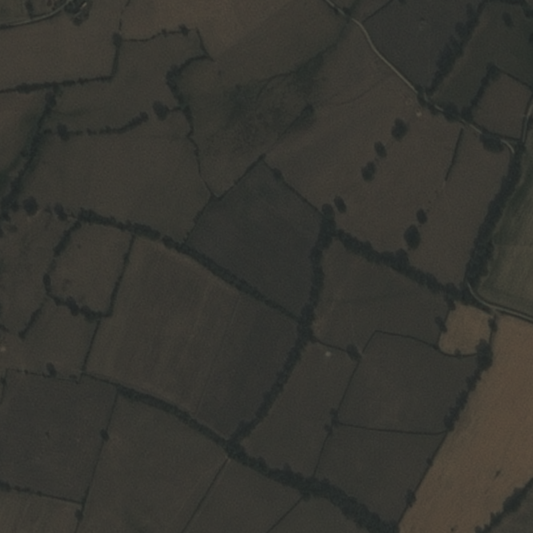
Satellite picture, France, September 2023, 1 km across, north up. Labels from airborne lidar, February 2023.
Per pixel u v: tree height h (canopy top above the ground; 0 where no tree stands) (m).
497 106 0
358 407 0
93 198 0
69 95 0
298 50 0
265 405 9
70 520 0
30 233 0
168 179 0
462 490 0
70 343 0
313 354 0
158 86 0
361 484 0
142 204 0
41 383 0
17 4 0
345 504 12
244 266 0
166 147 0
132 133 0
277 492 0
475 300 9
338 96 0
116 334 0
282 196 0
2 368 0
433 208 0
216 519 0
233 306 0
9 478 0
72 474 0
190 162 0
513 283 0
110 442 0
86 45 0
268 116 0
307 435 0
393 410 0
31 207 19
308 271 0
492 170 0
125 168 0
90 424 0
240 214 0
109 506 0
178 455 0
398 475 0
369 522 14
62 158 0
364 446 0
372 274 0
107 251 0
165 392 0
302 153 0
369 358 0
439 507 0
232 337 0
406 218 0
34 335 0
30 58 0
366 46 0
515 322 0
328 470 0
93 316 11
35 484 0
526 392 0
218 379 0
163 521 0
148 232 12
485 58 0
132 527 0
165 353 0
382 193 0
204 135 0
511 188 16
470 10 17
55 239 0
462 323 0
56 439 0
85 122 0
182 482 0
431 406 0
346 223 0
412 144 0
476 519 0
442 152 0
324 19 0
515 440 0
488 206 0
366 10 0
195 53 0
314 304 9
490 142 20
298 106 0
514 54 0
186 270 0
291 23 0
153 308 0
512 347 0
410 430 0
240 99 0
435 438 0
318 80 0
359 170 0
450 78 0
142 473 0
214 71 0
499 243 0
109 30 0
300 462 0
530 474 0
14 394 0
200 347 0
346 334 0
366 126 0
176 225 0
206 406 0
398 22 0
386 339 0
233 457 10
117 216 0
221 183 0
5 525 0
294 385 0
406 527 0
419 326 0
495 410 0
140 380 0
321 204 0
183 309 0
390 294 0
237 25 0
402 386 0
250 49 0
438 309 0
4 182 0
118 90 0
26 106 0
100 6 0
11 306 0
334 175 0
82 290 0
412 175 0
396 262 13
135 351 0
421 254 0
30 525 0
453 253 0
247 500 0
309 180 0
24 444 0
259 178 0
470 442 0
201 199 0
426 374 0
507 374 0
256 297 7
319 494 13
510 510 12
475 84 0
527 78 0
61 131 17
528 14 11
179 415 13
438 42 0
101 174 0
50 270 0
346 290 0
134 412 0
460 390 0
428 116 0
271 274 0
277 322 0
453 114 21
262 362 0
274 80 0
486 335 0
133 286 0
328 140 0
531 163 0
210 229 0
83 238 0
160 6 0
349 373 0
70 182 0
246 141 0
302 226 0
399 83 0
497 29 0
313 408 0
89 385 0
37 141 12
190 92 0
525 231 0
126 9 0
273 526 0
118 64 0
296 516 0
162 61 0
